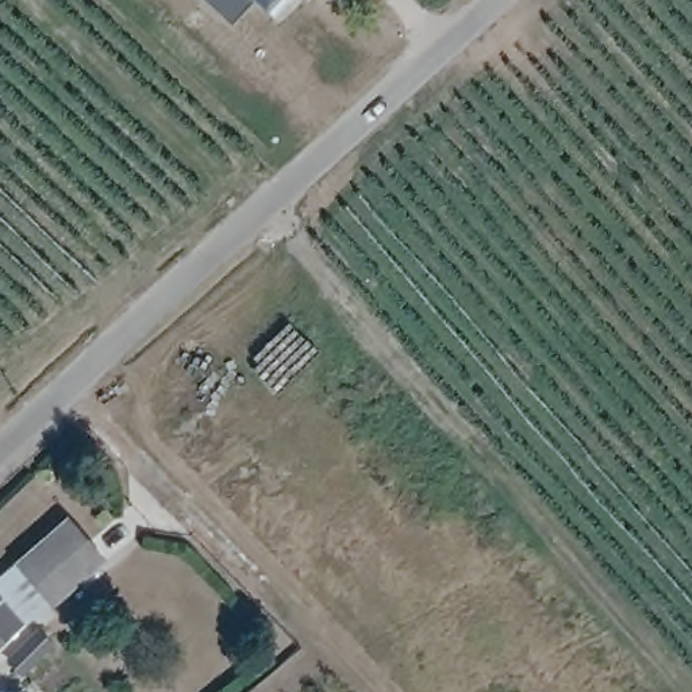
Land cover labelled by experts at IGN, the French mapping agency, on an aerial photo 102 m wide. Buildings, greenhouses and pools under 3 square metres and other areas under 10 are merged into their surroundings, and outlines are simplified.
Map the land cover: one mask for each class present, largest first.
<instances>
[{"label":"deciduous trees","instance_id":"1","mask_svg":"<svg viewBox=\"0 0 692 692\"><path fill-rule=\"evenodd\" d=\"M0 116L22 138H27L59 173H65L122 232H130L132 227L114 211L122 203L143 224H149L151 219L146 208L135 203L141 192L157 203V208H168L165 197L151 187L154 178H159L178 200L184 197V189L173 178H168L159 165H154L119 130L124 122L135 132H141L151 143V149H157L178 173H184L197 192H205L208 187V181L181 157H176L135 111L124 105V100L116 92L108 89V84L100 76H95L84 62H78L70 54V49H65L51 32H46L19 5V0H0ZM51 5H57L73 27L87 32L108 57H114L135 78V84L143 87L154 100H159L165 111L173 119H178L192 135H197L214 157H224V151L208 132H203L192 122V116H187L173 103V97L184 95L189 105H195L214 127L222 130L224 138L232 141L238 154H246L251 149L246 138L232 124L222 122L214 111H208V105L200 103L192 89H187L165 65H159L157 57H151L141 46V41H135V35L127 32L95 0H51ZM332 14H343L346 27L351 24L360 30L368 24L373 14L370 0H330ZM562 11L576 8V16H570V22L584 35V41L568 46L573 51L568 59H562L560 54L551 59L557 70H551V78H546V92L524 89L516 95L495 73V68L484 62V68L470 81L457 87L433 116H424L427 127L419 132L422 141L416 135H408L405 127L397 132V143L405 149L403 157L395 149L387 151L389 165H378L373 170V178H365L360 168L354 170L349 187L341 189L346 205H338L332 200L327 205L330 222L322 224L319 219L314 224L316 235L311 238V243H316L327 257V265L365 300V305L387 324V330L395 332V338L430 376V381H435L443 389V395L460 405V414L495 443L505 462L541 495V500L549 505V511H554L565 530H570L573 538L584 543V549L592 554L600 570L619 587L624 600L660 633L668 649H673L681 657V662L692 670V0H560ZM24 165L65 205L76 211V216H89L87 208L76 203L54 178H49L30 159V154L16 149L0 130V365L5 362V357L14 354V346L30 343L27 314L35 311L46 316L43 303L32 295L35 289L43 287L51 295L76 287V278L68 273L70 260H78V265L97 262L100 268H108V262L103 254H97V249H92L84 241L73 222H68L49 200H43L32 187H27L16 176ZM38 451L46 460L51 457V470L57 481L78 503L89 508L92 516H122L127 492L119 481L111 454L100 446L97 438H92L87 419L68 414L54 419V427L43 435ZM219 649L230 660L227 670L235 673V678L230 681L235 692H251L273 670H278L276 654L281 651V646H276L273 641L270 619L262 614L260 603L246 592H238L235 606H222L216 619ZM59 643L68 651L87 649L92 654L124 657L119 673L124 681H114L108 692H132L127 678L162 681L168 676H176L181 646L173 638V630L165 619L132 616L127 603L116 595L111 603L95 600L84 622L62 624L59 630ZM319 670L311 678H300L297 692H354L338 670L322 662L316 665Z\"/></svg>","mask_w":692,"mask_h":692},{"label":"herbaceous vegetation","instance_id":"2","mask_svg":"<svg viewBox=\"0 0 692 692\"><path fill-rule=\"evenodd\" d=\"M127 32L135 35V41H141V46L151 57H157L159 65H165L187 89H192L200 103L208 105V111H214L222 122L232 124L246 138L251 149L246 154H238L232 141L224 138L222 130L214 127L195 105H189L184 95L173 97V103L187 116H192V122L203 132H208L224 151V157H214L197 135H192L178 119H173L165 111L159 100H154L143 87L135 84V78L114 57H108L87 32L73 27L57 5H51V0H19V5L46 32H51L65 49H70V54L78 62H84L95 76H100L108 84V89L116 92L124 100V105L135 111L176 157H181L208 181V187L205 192H197L184 173H178L157 149H151V143L141 132H135L124 122L119 130L154 165H159L168 178H173L184 189V197L178 200L159 178H154L151 187L165 197L168 208H157V203L141 192L135 203L146 208L151 219L149 224H143L122 203L114 211L132 227L130 232H122L65 173H59L27 138H22L0 116V130L16 149L30 154V159L49 178H54L76 203L87 208L89 216H76V211L65 205L24 165L16 176L27 187H32L43 200H49L68 222H73L84 241L92 249H97V254H103L108 262V268H100L97 262L78 265V260H70L68 273L76 278V287L51 295L43 287L35 289L32 295L43 303L46 316L35 311L27 314L30 343L14 346V354L5 357V362L0 365V424H5L11 414L5 411V403L19 389H24L51 360H57L87 327L100 330H105L154 281H159L162 273H168L181 257H187L216 224L227 219V214L238 211L241 203L251 197V192L260 184H265L276 170H281L295 154H300L322 130H327V124L346 114L354 97L365 92L373 81H378L387 73V68L405 51V27L384 0H370L373 14L368 24L360 30L351 24L346 27L343 14H332L330 0H276L270 8L251 5L241 14L238 22H227L205 0H95ZM570 16H576V8L562 11L560 0H519L511 11L500 14L495 24L478 27L460 46L462 54L451 68H446L430 84H424L408 105H403L365 143L341 157L319 181H314L305 189V195L295 205V216L300 224L311 238L316 235L314 224L319 219L322 224L330 222L327 205L332 200L338 205H346L341 189L349 187L354 170L360 168L365 178H373V170L378 165H389L387 151L395 149L403 157L405 149L397 143V132L405 127L408 135H416L422 141L419 132L427 127L424 116H433L457 87L470 81L484 68V62L495 68V73L516 95L524 89L546 92V78H551V70H557L551 59L560 54L562 59H568L573 51L568 46L584 41V35L570 22ZM300 265V260L287 251V243L281 241H276V246L270 249H251L192 305H187L170 324L154 332L132 354L119 360L114 373H124V387L130 395H135V405H151L154 424L162 441H184L181 460L187 462V468L197 473L205 462H227L230 470L227 476H219L216 492L227 500L235 516L251 527L254 538L273 557L281 560L278 573L268 584H273L278 595L292 603V611L303 622L305 616L314 619L322 611H327L332 622H338L346 633L354 635V641L368 651V657L389 668V678L400 684L403 692H624L619 687H611V678L624 673H633L635 681L646 689L651 687L643 668L624 649H619V643L606 630H600L592 622V616H578L573 630H565L562 619L522 616L519 611L530 597L516 584V578H511L503 568L508 551L478 549V527L457 516L433 524H411L408 519H403L400 503L384 495L381 484L370 478V470L365 468L368 441L351 443L346 424L335 419L341 389L335 395H327L322 403H314L316 368L305 362L314 360V338H308L303 327L292 324L287 316H276L273 322H268L262 316L265 289L287 292L292 287V270H297ZM65 514H73L81 522V527L92 535L105 538L111 527H116L114 516H92L89 508L78 503L57 481L51 470L35 473L11 500L0 505V576L43 535H49L65 519ZM116 595L127 603L132 616L165 619L173 630V638L181 646L176 676H168L162 681L127 678L132 692H235L230 681L235 678V673L227 670L230 660L219 649L216 619L222 606L219 595L181 557L138 546L108 576L97 578L84 581L59 606V614L43 624V643L30 654V660H24L22 665H8L5 654H0V692H108L114 681H124L119 673L124 657L92 654L87 649L68 651L59 643V630L62 624L84 622L95 600L111 603Z\"/></svg>","mask_w":692,"mask_h":692},{"label":"pervious surface","instance_id":"3","mask_svg":"<svg viewBox=\"0 0 692 692\"><path fill-rule=\"evenodd\" d=\"M281 241L287 243V251L300 260V265L319 284L322 297L332 303L335 314L343 319V327L351 332V338L403 384V389L435 427H441L446 435H451V441L462 446L465 473L478 470L481 476L508 487L511 500L533 522V527L549 546L541 557L533 549H527V543H519L508 551L503 568L511 578H516V584L530 597L519 611L522 616L562 619L565 630H573L578 616H592V622L600 630H606L619 643V649H624L643 668L651 687L668 684L676 692H692V670L681 662V657L673 649H668L660 633L624 600L619 587L600 570L592 554L584 549V543L573 538L570 530H565L554 511H549V505L541 500V495L505 462L495 443L460 414V405L443 395V389L435 381H430V376L395 338V332L387 330V324L365 305V300L327 265V257L316 243H311V238L300 224L292 227V232ZM87 419L92 438H97L100 446L111 454L119 481L127 492V481L135 478L173 519H178L170 533H178L181 538L195 543L197 551L238 592H246L260 603L262 614L270 619L273 641L276 646H281V651L276 654L278 670H273L251 692H297L300 678H311L319 670L316 665L322 662L338 670L354 692H403L400 684L389 678V668L368 657V651L354 641V635L346 633L338 622H332L327 611H322L314 619L305 616L303 622L292 611V603L278 595L273 584H268L278 573L281 560L273 557L254 538L251 527L235 516L227 500L216 492L219 476H227L230 470L227 462H205L197 473L187 468V462L181 460L184 441H162L154 424L151 405H135V395H130L124 387V373H108L100 381V387L87 400H78L68 414Z\"/></svg>","mask_w":692,"mask_h":692},{"label":"impervious surface","instance_id":"4","mask_svg":"<svg viewBox=\"0 0 692 692\"><path fill-rule=\"evenodd\" d=\"M405 27V51L387 68V73L378 81H373L365 92L354 97L346 114L327 124V130H322L300 154H295L281 170H276L265 184H260L251 192V197L241 203L238 211L227 214V219L216 224L187 257H181L168 273H162L159 281H154L105 330H100L62 370H57L11 414L5 424H0V487L38 451L43 435L54 427V419L68 414L78 400H87L100 387V381L108 373H114L119 360L132 354L154 332L170 324L187 305H192L251 249H270L276 246V241H281L292 232V227L300 224L295 216V205L305 195V189L314 181H319L341 157L365 143L403 105H408L424 84H430L446 68H451L462 54L460 46L478 27L495 24L500 14L511 11L519 0H384ZM178 519H173L135 478L127 481V492L122 516H114L116 527H111L105 538L92 535V543L103 557V562L95 568L97 578L108 576L146 538L178 543L181 538L178 533H170Z\"/></svg>","mask_w":692,"mask_h":692},{"label":"brushwood","instance_id":"5","mask_svg":"<svg viewBox=\"0 0 692 692\"><path fill-rule=\"evenodd\" d=\"M262 316L268 322H273L276 316H287L292 324L303 327L308 338H314V360L305 362L316 368L314 403H322L327 395H335L341 389L335 419L346 424L351 443L368 441L365 468L370 470V478L381 484L384 495L400 503L403 519H408L411 524H433L457 516L478 527V549L508 551L519 543H527V549H533L541 557L549 546L533 527V522L511 500L508 487L481 476L478 470L465 473L462 446L451 441V435H446L441 427H435L403 389V384L351 338V332L343 327V319L335 314L332 303L322 297L319 284L300 265L297 270H292V287L287 292L265 289ZM100 330L87 327L57 360H51L24 389H19L5 403V411L11 414L57 370H62ZM51 470V457L46 460L38 451L0 487V505L11 500L35 473ZM138 546L181 557L219 595L222 606H235L238 592L197 551L195 543L181 538L178 543L146 538ZM611 687H619L624 692H676L668 684L651 687L646 689L635 681L633 673H624L611 678Z\"/></svg>","mask_w":692,"mask_h":692},{"label":"building","instance_id":"6","mask_svg":"<svg viewBox=\"0 0 692 692\"><path fill-rule=\"evenodd\" d=\"M227 22H238L241 14L251 5L270 8L276 0H205ZM103 562V557L92 543V535L81 527V522L73 514H65V519L49 535H43L0 576V654H5L8 665H22L24 660H30V654L43 643V624L59 614V606L84 581L97 578L95 568Z\"/></svg>","mask_w":692,"mask_h":692}]
</instances>
